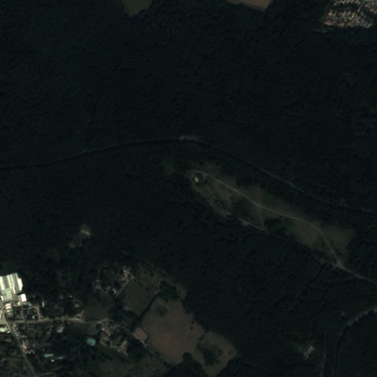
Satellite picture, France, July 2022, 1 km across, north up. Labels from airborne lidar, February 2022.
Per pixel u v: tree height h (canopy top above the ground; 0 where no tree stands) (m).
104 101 25
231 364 12
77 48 15
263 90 21
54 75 21
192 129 21
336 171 27
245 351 22
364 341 26
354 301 18
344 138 24
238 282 26
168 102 26
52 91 23
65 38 21
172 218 21
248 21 28
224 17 24
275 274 24
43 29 19
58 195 21
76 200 24
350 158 30
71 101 16
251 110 25
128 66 12
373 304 17
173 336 0
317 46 25
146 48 25
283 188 16
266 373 25
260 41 23
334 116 27
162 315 0
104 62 20
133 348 21
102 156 23
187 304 20
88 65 18
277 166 20
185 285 13
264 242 22
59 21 25
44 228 28
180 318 0
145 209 28
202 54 31
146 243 20
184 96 15
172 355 0
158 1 17
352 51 30
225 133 24
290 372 27
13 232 25
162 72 26
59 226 29
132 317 18
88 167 24
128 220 26
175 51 30
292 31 26
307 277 14
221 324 22
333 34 23
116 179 24
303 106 26
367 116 22
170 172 0
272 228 11
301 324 14
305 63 24
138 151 22
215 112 21
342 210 20
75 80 18
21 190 23
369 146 32
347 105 27
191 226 22
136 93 25
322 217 13
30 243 26
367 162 33
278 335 20
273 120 24
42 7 23
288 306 19
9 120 25
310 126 19
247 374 23
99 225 25
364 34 27
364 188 29
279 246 23
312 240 0
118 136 22
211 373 0
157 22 25
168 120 15
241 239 23
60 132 19
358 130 28
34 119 27
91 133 10
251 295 26
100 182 24
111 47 24
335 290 23
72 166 23
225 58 26
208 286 22
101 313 0
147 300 0
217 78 29
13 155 24
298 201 10
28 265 23
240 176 8
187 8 29
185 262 24
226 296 21
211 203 0
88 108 14
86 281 26
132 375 0
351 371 27
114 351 0
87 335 7
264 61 21
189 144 20
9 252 25
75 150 19
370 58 29
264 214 0
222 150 20
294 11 19
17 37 21
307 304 16
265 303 18
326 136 28
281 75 18
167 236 26
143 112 23
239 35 26
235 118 20
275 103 24
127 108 25
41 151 21
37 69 19
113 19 28
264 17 23
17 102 23
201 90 24
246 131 24
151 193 22
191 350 0
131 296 0
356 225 13
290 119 24
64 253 22
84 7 26
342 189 18
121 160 24
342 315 19
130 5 0
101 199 27
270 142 27
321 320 14
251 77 26
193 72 26
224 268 27
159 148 16
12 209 27
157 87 25
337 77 27
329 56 25
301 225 0
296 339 11
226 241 23
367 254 23
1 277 0
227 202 0
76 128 20
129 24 21
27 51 9
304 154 22
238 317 22
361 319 11
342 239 0
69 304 14
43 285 17
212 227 23
